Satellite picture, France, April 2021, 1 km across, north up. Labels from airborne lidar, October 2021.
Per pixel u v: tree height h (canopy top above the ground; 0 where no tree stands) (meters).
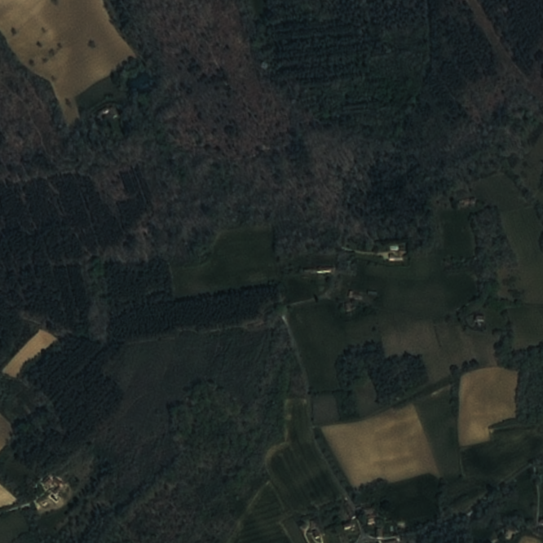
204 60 13
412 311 0
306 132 12
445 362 0
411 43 15
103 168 11
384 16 20
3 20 0
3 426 0
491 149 20
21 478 0
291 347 17
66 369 22
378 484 16
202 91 11
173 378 11
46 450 21
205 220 21
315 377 0
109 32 0
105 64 0
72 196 14
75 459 11
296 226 13
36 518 14
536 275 0
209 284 0
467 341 0
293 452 0
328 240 9
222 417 19
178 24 15
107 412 22
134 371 9
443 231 0
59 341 9
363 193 12
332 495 0
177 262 12
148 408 13
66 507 0
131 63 12
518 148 17
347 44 14
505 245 19
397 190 17
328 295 0
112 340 16
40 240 22
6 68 21
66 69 0
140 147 15
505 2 20
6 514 6
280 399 24
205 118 9
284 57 22
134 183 9
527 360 21
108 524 21
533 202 13
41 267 21
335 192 14
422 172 15
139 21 17
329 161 20
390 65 19
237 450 16
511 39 19
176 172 25
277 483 0
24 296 12
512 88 9
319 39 9
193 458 17
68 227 12
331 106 14
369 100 11
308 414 0
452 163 13
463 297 0
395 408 10
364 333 0
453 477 0
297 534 0
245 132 11
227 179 17
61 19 0
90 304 13
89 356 22
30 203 13
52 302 24
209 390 21
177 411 24
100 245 12
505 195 0
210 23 13
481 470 0
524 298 0
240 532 0
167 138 23
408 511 0
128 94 9
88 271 11
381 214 17
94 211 12
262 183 9
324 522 14
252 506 0
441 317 0
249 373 7
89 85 0
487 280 22
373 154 16
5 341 26
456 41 22
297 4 22
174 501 15
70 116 0
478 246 13
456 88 22
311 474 0
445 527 13
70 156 24
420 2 16
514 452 0
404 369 23
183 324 17
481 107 14
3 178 17
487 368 0
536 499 0
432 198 16
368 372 21
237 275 0
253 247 0
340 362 6
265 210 22
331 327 0
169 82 23
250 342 6
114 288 20
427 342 0
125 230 14
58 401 19
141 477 6
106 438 10
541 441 0
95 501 7
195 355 10
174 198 23
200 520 18
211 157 10
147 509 15
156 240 27
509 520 15
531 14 19
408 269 0
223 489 19
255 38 19
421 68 16
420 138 19
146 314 19
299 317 0
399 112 14
